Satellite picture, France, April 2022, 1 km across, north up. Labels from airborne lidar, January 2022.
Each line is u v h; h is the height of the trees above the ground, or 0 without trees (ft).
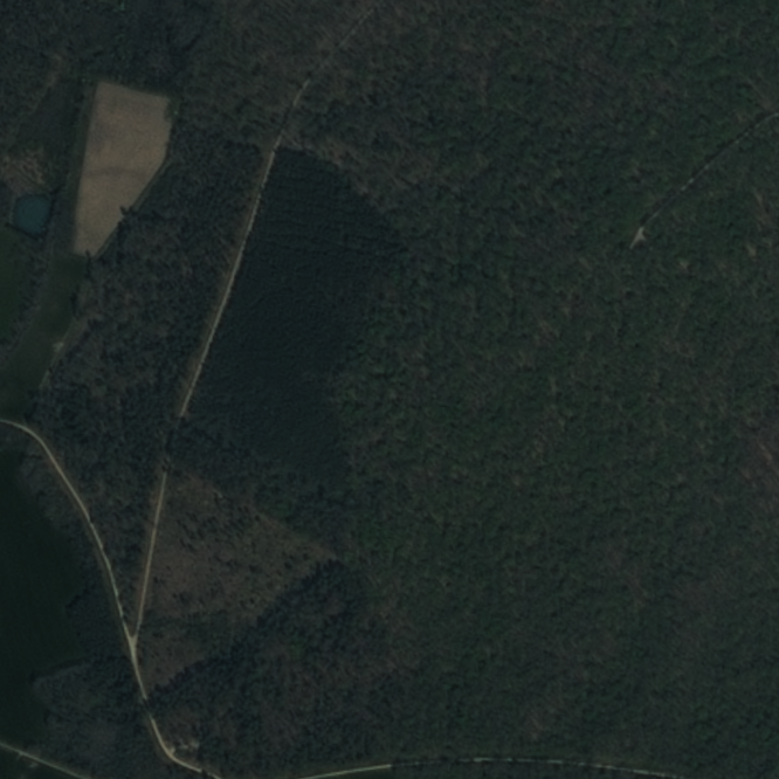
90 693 59
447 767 69
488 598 70
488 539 63
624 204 64
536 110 64
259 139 81
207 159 86
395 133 84
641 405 78
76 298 0
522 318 68
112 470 92
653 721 83
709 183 76
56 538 0
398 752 75
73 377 71
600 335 75
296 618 96
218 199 95
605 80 91
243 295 42
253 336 37
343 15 69
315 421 33
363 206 51
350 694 39
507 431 76
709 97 80
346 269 46
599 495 80
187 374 81
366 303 42
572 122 85
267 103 65
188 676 0
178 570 0
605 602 83
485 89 79
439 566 83
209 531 57
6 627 0
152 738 85
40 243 61
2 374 0
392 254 49
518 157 76
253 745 94
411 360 76
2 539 0
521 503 75
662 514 66
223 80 71
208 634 30
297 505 39
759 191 88
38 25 87
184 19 45
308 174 48
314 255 41
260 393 40
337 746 45
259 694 102
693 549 74
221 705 103
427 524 72
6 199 70
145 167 0
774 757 84
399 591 80
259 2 65
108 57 55
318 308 36
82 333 0
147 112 0
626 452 79
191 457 94
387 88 82
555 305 76
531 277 83
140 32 62
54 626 0
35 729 0
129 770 45
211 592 0
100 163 0
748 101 72
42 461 35
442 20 62
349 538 89
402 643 84
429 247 79
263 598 0
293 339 40
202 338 47
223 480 90
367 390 72
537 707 80
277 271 51
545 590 66
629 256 59
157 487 82
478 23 65
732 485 80
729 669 75
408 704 90
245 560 0
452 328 87
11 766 0
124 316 65
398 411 63
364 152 72
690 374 71
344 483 35
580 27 80
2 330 0
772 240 79
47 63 66
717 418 68
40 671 0
